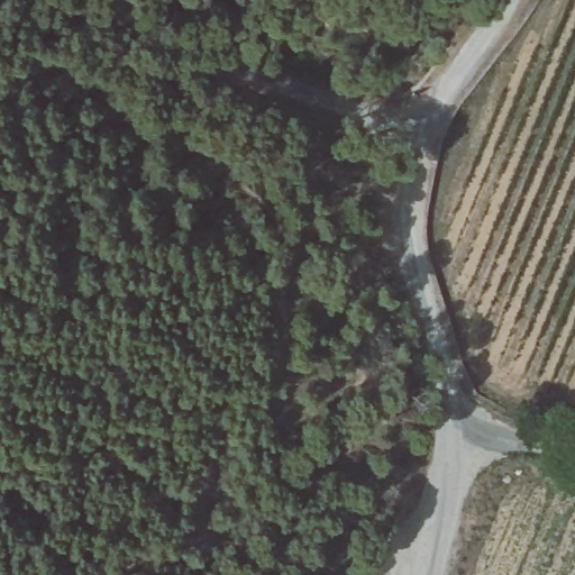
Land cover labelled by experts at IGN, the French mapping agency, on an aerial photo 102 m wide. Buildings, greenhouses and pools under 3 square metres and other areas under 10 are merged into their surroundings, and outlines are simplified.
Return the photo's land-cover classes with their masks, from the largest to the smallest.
<instances>
[{"label":"coniferous trees","instance_id":"1","mask_svg":"<svg viewBox=\"0 0 575 575\"><path fill-rule=\"evenodd\" d=\"M510 0H0V575H386L395 564V553L413 544L422 523L433 514L436 508V487L427 478V467L433 456L436 431L447 422V418L442 416V382L447 380V366L442 364L447 362V348H431L427 337L431 330L429 310L422 308L420 296L407 288L404 276L400 274V256L409 245V234L413 227V202L422 198V157L431 155L427 150V142L422 139V128L416 126V119H384L380 124H373L371 117L380 108V103L391 94L389 85L393 83H411V90H422L425 94H429L433 83L445 72L447 63L458 54L460 45L469 38V34L476 27H487L490 22L499 20Z\"/></svg>","mask_w":575,"mask_h":575},{"label":"vineyard","instance_id":"2","mask_svg":"<svg viewBox=\"0 0 575 575\"><path fill-rule=\"evenodd\" d=\"M458 106L460 112H467L469 133L449 148L447 159L436 162L431 200L427 209L425 252L445 303L442 312L438 314L442 330H447L449 321L458 314H463L465 319L483 314L494 323L492 344L469 348V355L474 357L485 355L492 368L485 384L474 389L472 395L476 400V409H485L492 413V418L510 422L517 418V407L521 404V400L528 398H532L537 407H541L544 411L564 404L575 411V0H521V7L517 9L508 29L487 49L476 72L460 88L456 101L451 103ZM474 575H575V496L559 492L553 499L546 494L544 487L528 485L508 492L505 501L499 508L496 521L490 530V539L481 550Z\"/></svg>","mask_w":575,"mask_h":575},{"label":"impervious surface","instance_id":"3","mask_svg":"<svg viewBox=\"0 0 575 575\"><path fill-rule=\"evenodd\" d=\"M521 7V0H510L499 20L490 22L487 27H476L469 34V38L460 45L458 54L447 63L445 72L433 83L429 94H425L422 90H411V83H393L389 85L391 94L380 103V108L371 117L373 124H380L384 119H416V126L422 128V139L427 142V150L431 155L422 157V198L413 202V227L409 234V245L400 256V274L404 276L407 288L420 296L422 308L429 310L431 330L427 337L431 348H447V362L442 364L447 366V380L442 382V416L447 418V422L436 431L433 456L427 467V478L436 487V508L433 514L422 523L413 544L395 553V564L386 575H447L449 559L458 555L454 541L458 537L460 510L467 499L469 485L485 465L508 454L517 451L521 445V440L517 438V427L510 422L492 418V413L485 409H476V400L472 395L474 389L485 384L492 368L485 355L474 357L469 355V348L492 344L494 323L483 314L465 319L463 314H458L449 321L447 330H442L438 314L442 312L445 303L425 252L427 209L431 200L436 162L447 159L449 148L469 133L467 112H460L458 106L451 103L456 101L460 88L476 72L487 49L508 29L517 9Z\"/></svg>","mask_w":575,"mask_h":575},{"label":"deciduous trees","instance_id":"4","mask_svg":"<svg viewBox=\"0 0 575 575\"><path fill-rule=\"evenodd\" d=\"M517 427V438L521 440V445L517 451L508 454L512 460L519 463V469L528 478V485L544 487L546 494L553 499L559 492L575 496V411L564 404L544 411L541 407H537L532 398H528L521 400V404L517 407V418L510 422Z\"/></svg>","mask_w":575,"mask_h":575},{"label":"herbaceous vegetation","instance_id":"5","mask_svg":"<svg viewBox=\"0 0 575 575\"><path fill-rule=\"evenodd\" d=\"M528 485V478L519 469V463L512 460L508 454L485 465L469 485L467 499L460 510L458 537L454 541L458 555L449 559L447 575H474L481 550L490 539V530L496 521L499 508L505 501L508 492Z\"/></svg>","mask_w":575,"mask_h":575}]
</instances>
